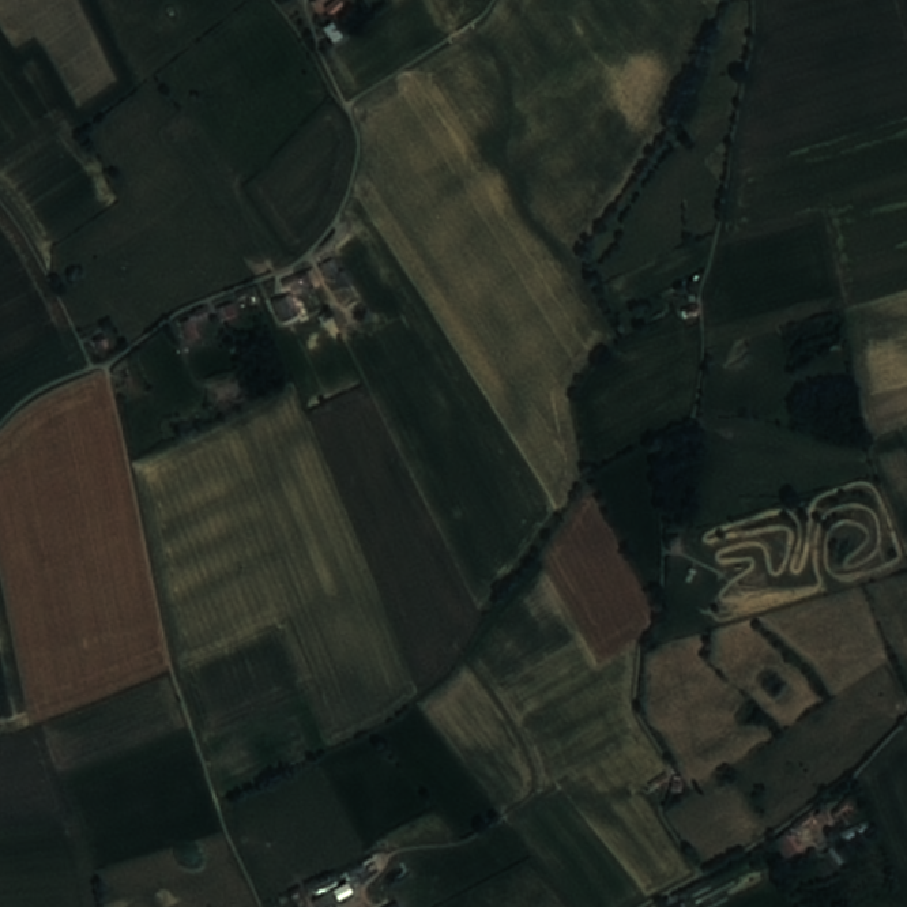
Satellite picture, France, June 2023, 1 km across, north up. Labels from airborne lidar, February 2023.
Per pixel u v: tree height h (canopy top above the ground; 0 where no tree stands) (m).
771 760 0
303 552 0
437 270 0
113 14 0
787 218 0
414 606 0
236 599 0
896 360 0
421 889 0
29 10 0
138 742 0
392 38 0
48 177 0
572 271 0
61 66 0
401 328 0
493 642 0
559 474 0
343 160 0
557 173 0
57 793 0
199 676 0
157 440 0
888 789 0
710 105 0
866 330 0
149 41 0
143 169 0
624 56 0
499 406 0
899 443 0
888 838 0
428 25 0
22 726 0
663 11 0
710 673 0
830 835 13
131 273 0
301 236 0
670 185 0
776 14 0
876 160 0
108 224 0
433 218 0
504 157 0
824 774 0
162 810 0
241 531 0
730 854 8
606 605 0
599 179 0
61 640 0
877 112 0
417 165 0
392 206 0
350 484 0
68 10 0
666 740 0
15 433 0
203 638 0
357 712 0
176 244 0
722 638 0
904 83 0
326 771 0
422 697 0
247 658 0
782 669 0
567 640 0
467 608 0
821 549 0
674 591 0
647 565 0
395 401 0
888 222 0
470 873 0
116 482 0
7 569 0
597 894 0
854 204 0
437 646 0
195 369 0
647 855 0
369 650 0
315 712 0
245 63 0
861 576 0
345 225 0
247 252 0
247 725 0
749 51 8
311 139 0
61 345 0
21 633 0
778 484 0
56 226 0
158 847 0
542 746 0
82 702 0
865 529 0
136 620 0
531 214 0
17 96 0
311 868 0
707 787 0
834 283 0
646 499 0
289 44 0
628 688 0
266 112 0
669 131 17
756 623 9
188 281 0
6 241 0
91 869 0
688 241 10
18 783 0
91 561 0
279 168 0
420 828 0
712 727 0
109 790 0
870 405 0
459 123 0
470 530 0
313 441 0
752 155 0
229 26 0
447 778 0
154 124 0
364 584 0
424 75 0
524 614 0
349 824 0
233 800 10
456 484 0
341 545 0
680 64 0
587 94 0
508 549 0
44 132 0
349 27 17
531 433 0
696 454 23
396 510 0
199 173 0
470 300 0
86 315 0
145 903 0
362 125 0
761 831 0
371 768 0
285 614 0
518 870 0
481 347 0
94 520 0
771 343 0
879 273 0
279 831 0
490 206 0
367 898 0
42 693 0
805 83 0
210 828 0
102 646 0
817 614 0
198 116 0
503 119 0
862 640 0
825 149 0
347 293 0
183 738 0
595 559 0
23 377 0
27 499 0
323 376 0
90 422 0
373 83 0
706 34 19
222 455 0
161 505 0
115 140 0
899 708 0
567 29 0
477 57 0
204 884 0
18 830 0
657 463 21
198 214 0
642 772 0
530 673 0
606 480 0
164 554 0
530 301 0
